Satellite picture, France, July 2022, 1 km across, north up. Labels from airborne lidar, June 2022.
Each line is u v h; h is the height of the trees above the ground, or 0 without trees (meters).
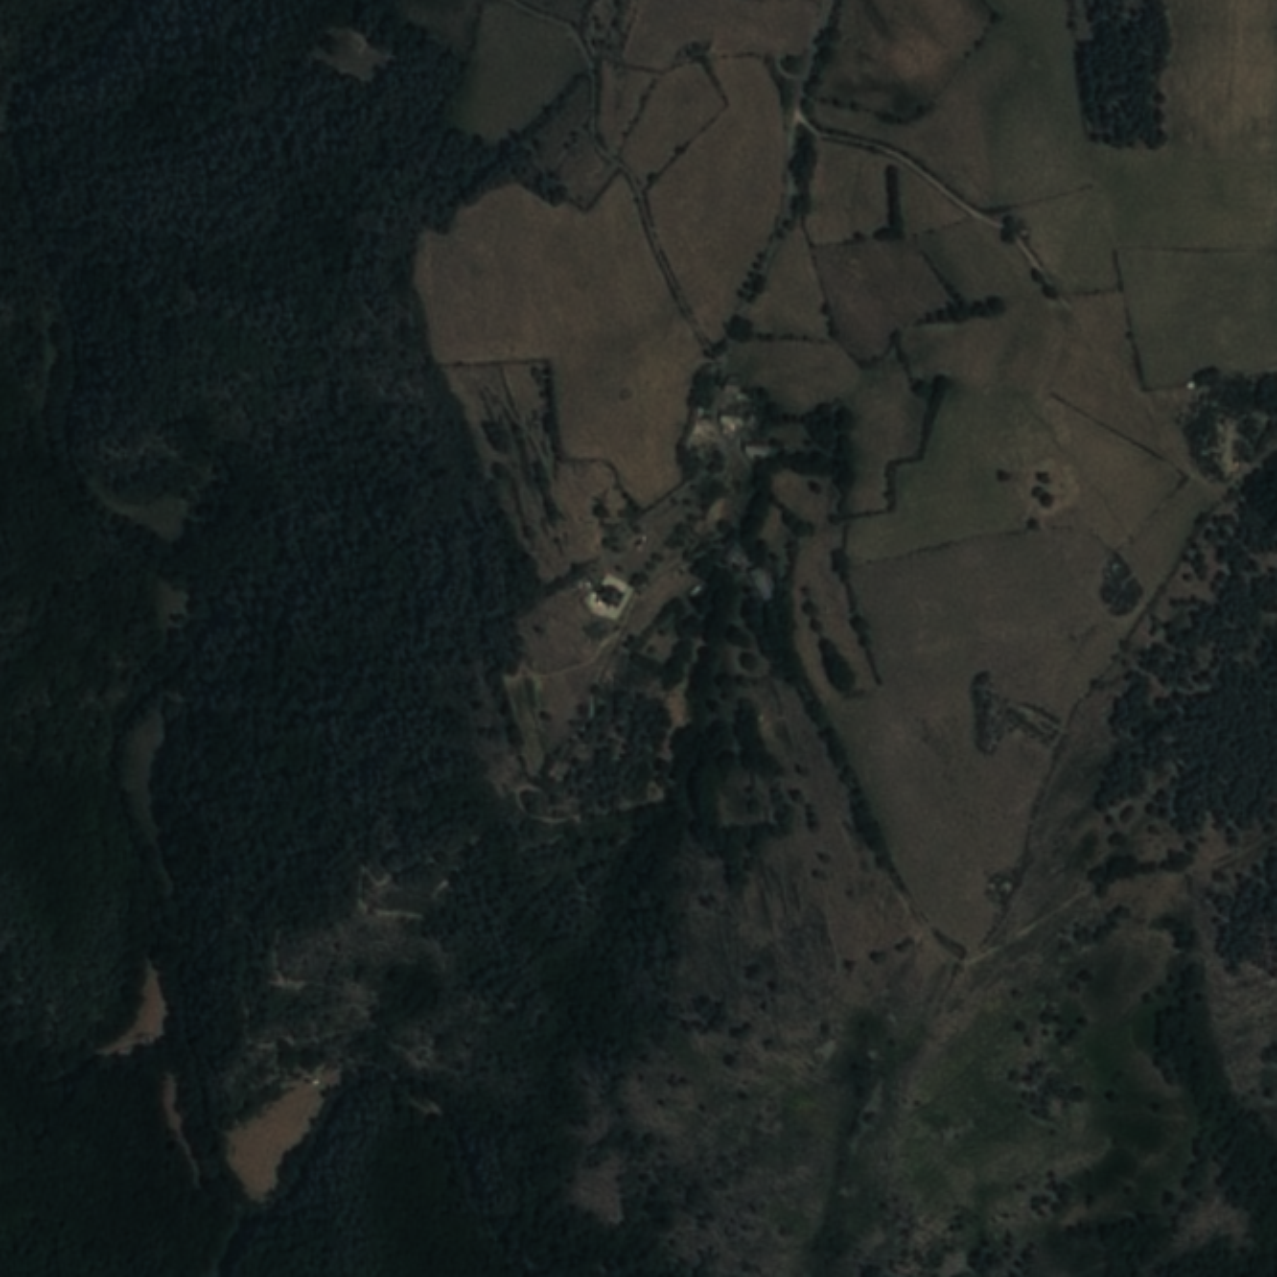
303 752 8
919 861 0
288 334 21
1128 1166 0
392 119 17
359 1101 16
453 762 16
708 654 16
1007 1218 10
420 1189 21
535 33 0
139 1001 20
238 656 15
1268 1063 16
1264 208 0
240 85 9
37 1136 22
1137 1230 23
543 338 0
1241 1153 16
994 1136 0
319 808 8
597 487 0
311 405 11
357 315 7
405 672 6
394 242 8
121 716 13
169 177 21
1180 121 0
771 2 0
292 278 16
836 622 0
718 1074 0
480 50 0
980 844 0
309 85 20
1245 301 0
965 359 0
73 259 18
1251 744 16
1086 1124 0
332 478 18
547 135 0
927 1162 0
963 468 0
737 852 17
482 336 0
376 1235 13
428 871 16
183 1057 23
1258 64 0
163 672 21
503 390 0
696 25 0
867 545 0
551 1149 18
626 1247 15
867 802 8
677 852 7
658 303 0
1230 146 0
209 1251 20
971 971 0
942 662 0
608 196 0
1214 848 0
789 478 0
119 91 16
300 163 25
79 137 10
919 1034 0
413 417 8
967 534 0
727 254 0
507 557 10
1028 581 0
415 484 13
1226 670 11
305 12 16
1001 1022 0
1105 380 0
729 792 0
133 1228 22
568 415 0
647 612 0
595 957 19
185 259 15
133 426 16
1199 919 0
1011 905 0
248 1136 0
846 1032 0
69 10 15
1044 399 0
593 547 0
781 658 14
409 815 13
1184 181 0
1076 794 0
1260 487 19
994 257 0
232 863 14
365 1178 14
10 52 9
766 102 0
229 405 12
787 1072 0
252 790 15
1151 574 0
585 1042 15
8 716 9
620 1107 6
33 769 18
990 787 0
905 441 0
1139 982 0
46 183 9
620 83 0
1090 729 0
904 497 0
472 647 8
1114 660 7
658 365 0
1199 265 0
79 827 26
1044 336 0
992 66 0
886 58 0
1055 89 0
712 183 0
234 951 20
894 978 0
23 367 24
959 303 9
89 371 18
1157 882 0
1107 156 0
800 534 10
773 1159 0
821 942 0
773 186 0
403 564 7
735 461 0
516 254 0
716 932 0
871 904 0
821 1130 0
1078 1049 0
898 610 0
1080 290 0
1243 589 18
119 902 10
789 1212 0
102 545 19
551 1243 7
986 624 0
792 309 0
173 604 0
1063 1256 0
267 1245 18
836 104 10
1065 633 0
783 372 0
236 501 25
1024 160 0
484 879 12
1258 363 0
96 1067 24
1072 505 0
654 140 0
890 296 0
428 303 0
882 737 0
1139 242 0
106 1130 20
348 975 7
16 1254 17
